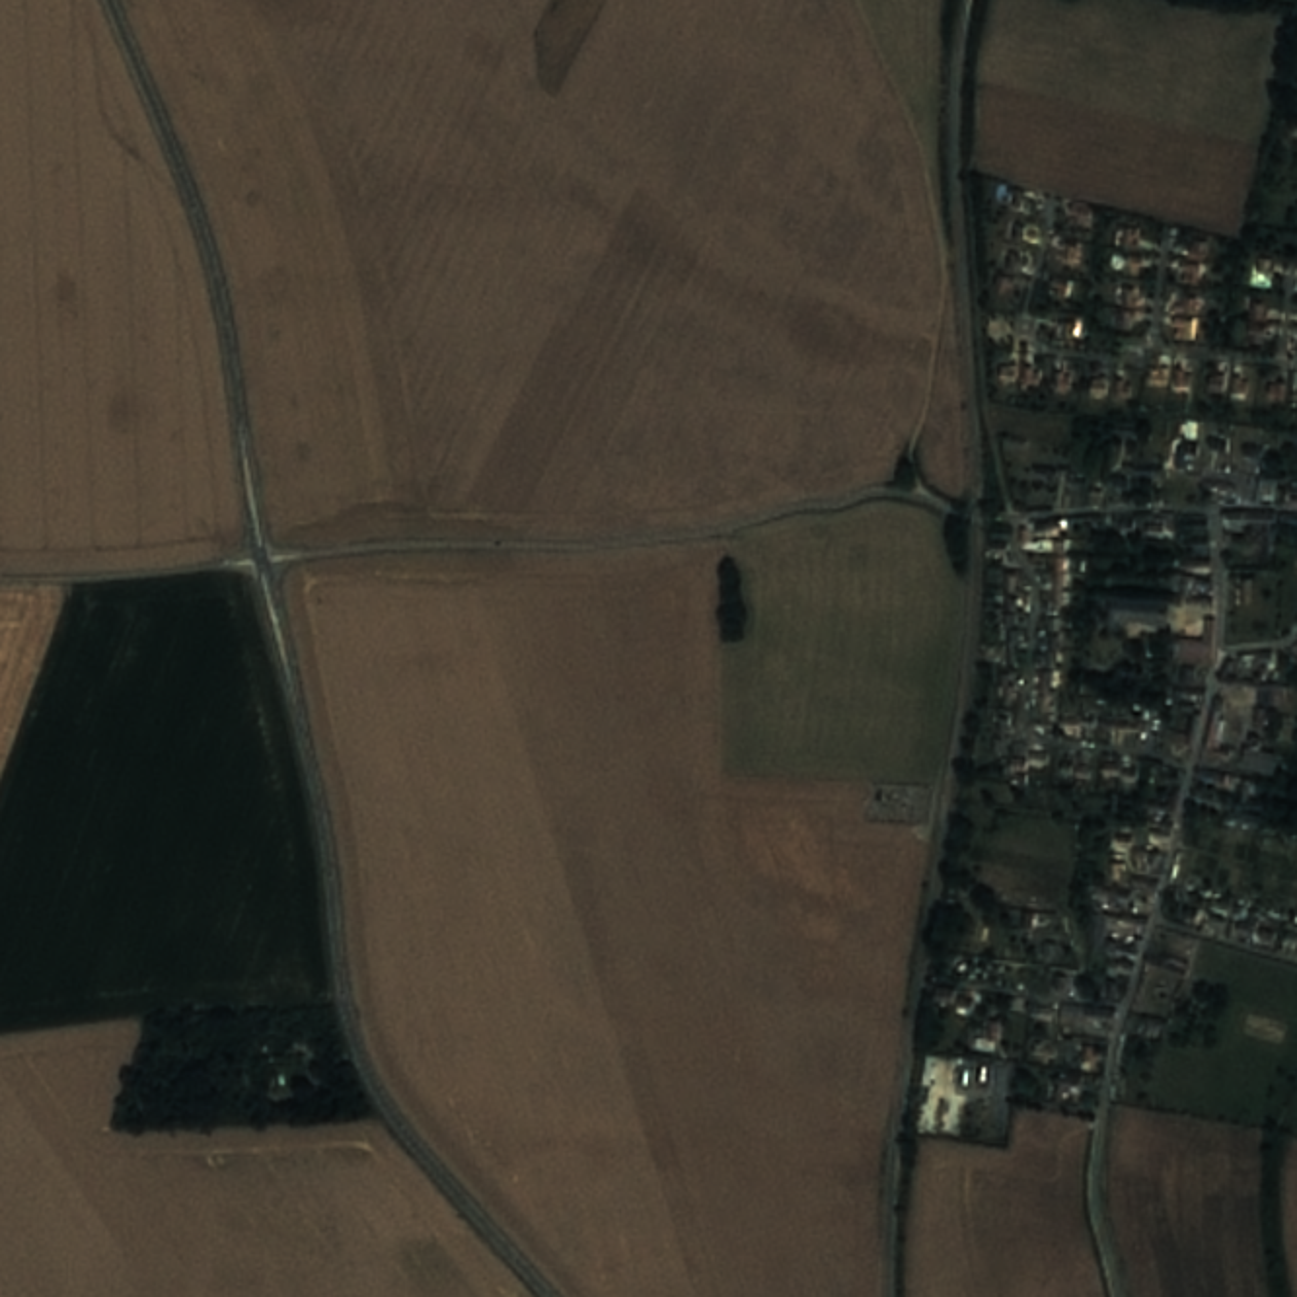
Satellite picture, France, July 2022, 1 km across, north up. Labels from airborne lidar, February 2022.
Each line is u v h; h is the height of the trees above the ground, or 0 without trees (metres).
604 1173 0
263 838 0
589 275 0
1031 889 0
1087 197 0
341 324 0
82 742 0
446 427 0
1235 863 0
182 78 0
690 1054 0
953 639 0
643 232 0
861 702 0
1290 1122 0
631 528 0
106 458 0
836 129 0
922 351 0
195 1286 0
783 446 0
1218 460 0
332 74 0
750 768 0
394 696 0
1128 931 0
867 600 0
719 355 0
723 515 0
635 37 0
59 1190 0
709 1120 0
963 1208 0
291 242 0
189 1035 12
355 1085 10
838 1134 0
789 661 0
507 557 0
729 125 0
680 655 0
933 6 0
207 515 0
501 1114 0
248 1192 0
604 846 0
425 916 0
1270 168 9
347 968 0
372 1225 0
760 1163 0
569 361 0
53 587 0
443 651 0
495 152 0
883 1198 0
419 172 0
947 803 0
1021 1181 0
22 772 0
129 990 0
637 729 0
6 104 0
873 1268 0
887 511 0
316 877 0
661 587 0
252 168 0
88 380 0
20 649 0
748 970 0
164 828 0
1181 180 0
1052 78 0
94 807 0
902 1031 0
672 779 0
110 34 0
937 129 0
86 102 0
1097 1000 16
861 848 0
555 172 0
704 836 0
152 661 0
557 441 0
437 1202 0
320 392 0
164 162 0
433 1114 0
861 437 0
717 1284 0
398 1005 0
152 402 0
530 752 0
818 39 0
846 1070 0
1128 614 0
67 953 0
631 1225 0
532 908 0
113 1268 0
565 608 0
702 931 0
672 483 0
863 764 0
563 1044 0
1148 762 5
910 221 0
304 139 0
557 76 0
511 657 0
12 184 0
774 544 0
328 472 0
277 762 0
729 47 0
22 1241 0
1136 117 0
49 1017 0
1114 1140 0
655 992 0
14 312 0
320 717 0
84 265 0
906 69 0
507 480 0
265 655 0
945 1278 0
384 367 0
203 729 0
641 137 0
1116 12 0
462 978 0
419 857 0
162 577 0
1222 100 0
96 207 0
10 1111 0
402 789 0
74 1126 0
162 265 0
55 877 0
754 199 0
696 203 0
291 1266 0
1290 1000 0
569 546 0
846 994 0
